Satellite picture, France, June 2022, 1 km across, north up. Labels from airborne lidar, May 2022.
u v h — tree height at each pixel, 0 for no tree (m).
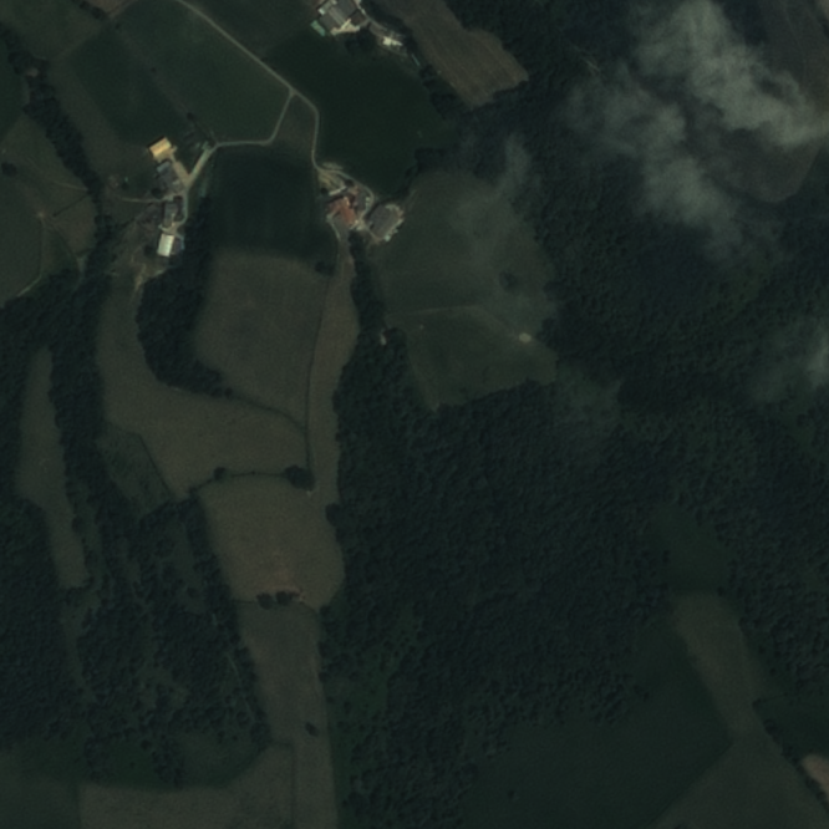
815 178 0
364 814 18
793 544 25
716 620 0
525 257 0
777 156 0
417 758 13
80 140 12
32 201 0
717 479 16
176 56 0
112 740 15
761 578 9
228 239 0
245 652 16
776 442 18
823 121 0
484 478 16
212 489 0
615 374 18
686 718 0
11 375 22
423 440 12
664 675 0
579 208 15
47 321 21
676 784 0
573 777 0
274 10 0
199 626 22
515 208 13
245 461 0
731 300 9
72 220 0
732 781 0
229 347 0
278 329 0
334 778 0
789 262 8
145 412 0
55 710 19
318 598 0
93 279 15
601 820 0
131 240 0
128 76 0
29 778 0
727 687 0
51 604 20
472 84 0
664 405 17
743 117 16
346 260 0
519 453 18
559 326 19
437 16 0
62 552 0
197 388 12
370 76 0
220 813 0
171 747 15
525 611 24
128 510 19
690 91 24
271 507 0
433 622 21
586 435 16
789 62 0
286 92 0
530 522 18
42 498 0
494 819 0
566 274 13
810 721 0
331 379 0
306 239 0
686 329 16
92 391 17
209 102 0
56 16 0
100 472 20
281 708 0
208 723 13
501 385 0
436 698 16
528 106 20
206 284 14
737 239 10
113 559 14
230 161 0
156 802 0
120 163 0
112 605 17
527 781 0
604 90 11
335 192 0
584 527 16
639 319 10
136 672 16
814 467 14
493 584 15
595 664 11
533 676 8
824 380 12
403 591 20
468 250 0
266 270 0
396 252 0
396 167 0
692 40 0
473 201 0
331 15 0
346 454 11
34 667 22
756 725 0
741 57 26
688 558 0
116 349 0
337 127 0
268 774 0
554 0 10
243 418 0
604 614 25
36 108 21
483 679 16
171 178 0
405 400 9
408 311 0
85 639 10
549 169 17
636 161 0
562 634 21
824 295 7
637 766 0
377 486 16
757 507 16
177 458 0
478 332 0
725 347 11
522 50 17
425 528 21
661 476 20
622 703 12
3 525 25
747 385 14
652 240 14
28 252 0
